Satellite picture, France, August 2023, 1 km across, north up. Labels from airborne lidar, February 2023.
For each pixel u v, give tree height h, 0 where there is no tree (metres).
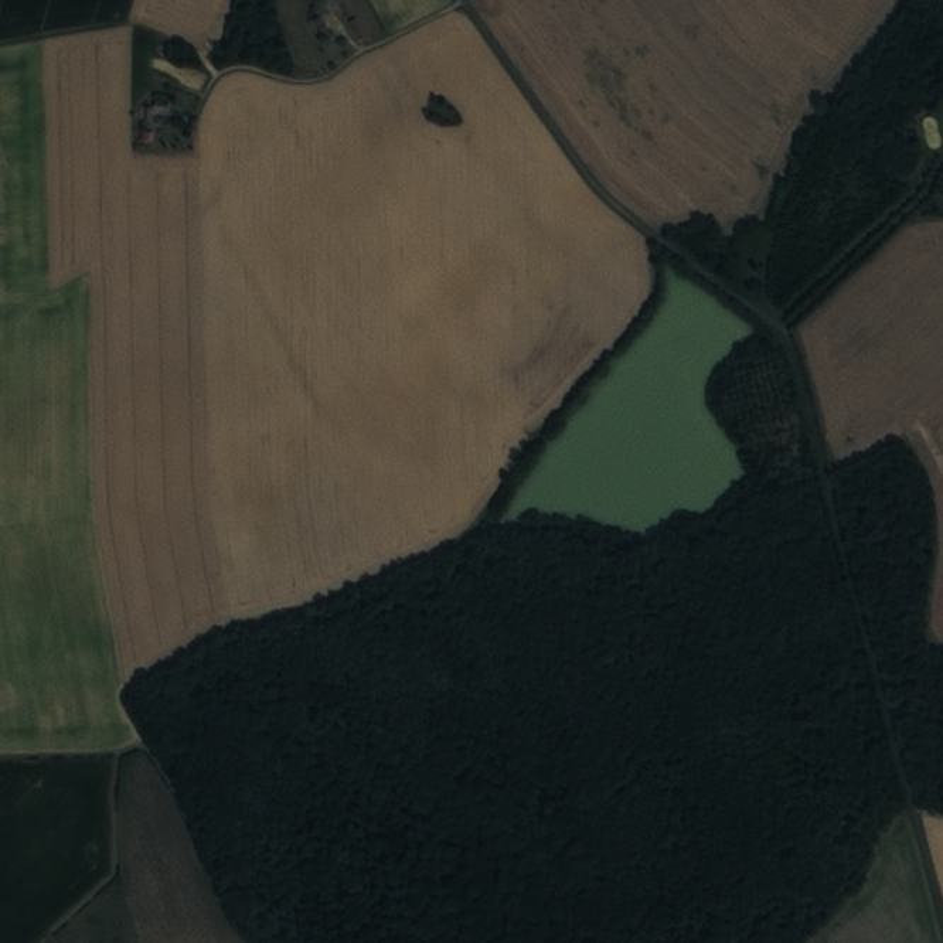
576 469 0
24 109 0
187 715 20
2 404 0
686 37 0
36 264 0
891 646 12
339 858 23
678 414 0
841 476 14
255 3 9
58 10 0
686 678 21
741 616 20
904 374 0
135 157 0
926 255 0
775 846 20
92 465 0
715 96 0
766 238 0
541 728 20
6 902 0
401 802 17
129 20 0
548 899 20
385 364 0
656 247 18
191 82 0
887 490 16
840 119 14
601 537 10
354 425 0
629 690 22
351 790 11
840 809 23
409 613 22
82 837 0
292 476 0
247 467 0
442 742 21
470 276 0
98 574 0
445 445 0
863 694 17
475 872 16
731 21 0
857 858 11
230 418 0
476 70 0
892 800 21
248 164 0
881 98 17
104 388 0
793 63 0
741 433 6
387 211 0
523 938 24
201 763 21
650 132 0
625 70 0
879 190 6
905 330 0
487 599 17
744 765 17
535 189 0
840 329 0
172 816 0
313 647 23
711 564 17
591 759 21
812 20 0
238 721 25
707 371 0
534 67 0
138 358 0
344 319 0
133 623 0
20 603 0
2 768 0
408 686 18
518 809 23
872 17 0
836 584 21
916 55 14
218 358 0
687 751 17
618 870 18
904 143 18
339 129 0
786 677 18
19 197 0
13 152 0
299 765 19
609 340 0
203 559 0
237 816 21
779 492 21
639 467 0
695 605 18
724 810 21
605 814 21
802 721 23
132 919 0
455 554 20
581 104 0
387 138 0
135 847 0
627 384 0
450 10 0
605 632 20
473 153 0
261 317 0
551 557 23
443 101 11
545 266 0
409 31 0
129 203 0
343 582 0
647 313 9
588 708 19
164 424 0
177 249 0
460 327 0
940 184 10
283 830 20
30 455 0
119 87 0
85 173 0
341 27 0
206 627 0
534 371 0
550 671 20
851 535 18
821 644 21
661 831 17
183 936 0
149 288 0
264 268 0
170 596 0
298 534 0
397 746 13
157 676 15
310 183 0
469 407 0
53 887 0
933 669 18
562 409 7
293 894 23
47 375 0
